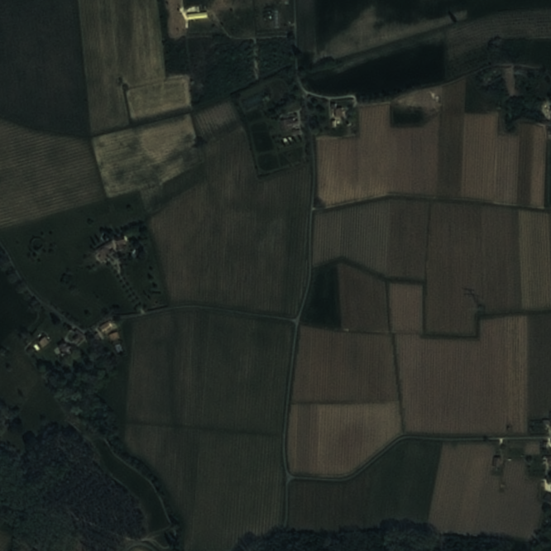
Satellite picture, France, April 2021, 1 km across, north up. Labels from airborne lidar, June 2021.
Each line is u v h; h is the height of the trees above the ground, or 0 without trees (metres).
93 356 18
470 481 0
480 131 0
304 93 0
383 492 0
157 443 0
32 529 23
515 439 0
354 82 0
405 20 0
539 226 0
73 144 0
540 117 8
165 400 0
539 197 0
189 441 0
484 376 0
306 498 0
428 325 0
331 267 0
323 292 0
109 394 0
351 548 16
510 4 0
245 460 0
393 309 0
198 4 0
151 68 0
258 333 0
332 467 0
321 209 15
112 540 16
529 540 0
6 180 0
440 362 0
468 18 0
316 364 0
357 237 0
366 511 0
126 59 0
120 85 0
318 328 0
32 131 0
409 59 0
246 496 0
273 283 0
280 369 0
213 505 0
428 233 0
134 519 16
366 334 0
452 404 0
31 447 17
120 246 0
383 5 0
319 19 0
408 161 0
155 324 0
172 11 0
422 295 0
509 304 0
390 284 0
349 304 0
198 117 0
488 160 0
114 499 19
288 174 0
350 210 0
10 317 0
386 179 0
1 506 16
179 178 0
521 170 0
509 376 0
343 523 0
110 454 0
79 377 17
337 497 0
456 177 0
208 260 0
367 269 0
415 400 0
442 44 0
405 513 0
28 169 0
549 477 11
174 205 0
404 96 0
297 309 0
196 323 0
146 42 0
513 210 0
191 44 0
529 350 0
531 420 0
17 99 0
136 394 0
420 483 0
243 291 0
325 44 0
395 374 0
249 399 0
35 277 0
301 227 0
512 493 0
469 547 8
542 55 0
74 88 0
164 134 0
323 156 0
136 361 0
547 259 0
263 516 0
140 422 0
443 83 0
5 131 0
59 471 20
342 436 0
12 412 15
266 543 19
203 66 0
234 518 0
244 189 0
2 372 0
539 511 0
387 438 0
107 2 0
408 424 0
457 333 0
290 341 0
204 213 0
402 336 0
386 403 0
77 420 16
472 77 0
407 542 16
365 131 0
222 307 0
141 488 0
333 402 0
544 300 0
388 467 0
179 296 0
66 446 22
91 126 0
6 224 0
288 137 0
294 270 0
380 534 20
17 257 0
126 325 0
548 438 0
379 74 0
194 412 0
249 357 0
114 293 0
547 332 0
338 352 0
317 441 0
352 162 0
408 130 0
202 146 19
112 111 0
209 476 0
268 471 0
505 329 0
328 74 0
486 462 0
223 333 0
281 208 0
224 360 0
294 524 0
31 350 12
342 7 0
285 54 8
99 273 0
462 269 0
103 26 0
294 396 0
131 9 0
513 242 0
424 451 0
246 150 0
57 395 25
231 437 0
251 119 0
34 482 19
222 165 0
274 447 0
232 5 0
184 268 0
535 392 0
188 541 0
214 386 0
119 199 0
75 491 19
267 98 10
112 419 14
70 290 8
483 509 0
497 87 9
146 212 0
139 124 0
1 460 28
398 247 0
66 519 19
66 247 0
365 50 0
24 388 0
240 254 0
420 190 0
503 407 0
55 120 0
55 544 20
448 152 0
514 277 0
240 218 0
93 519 18
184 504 0
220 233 0
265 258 0
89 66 0
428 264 0
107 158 0
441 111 0
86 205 0
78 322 8
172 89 0
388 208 0
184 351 0
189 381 0
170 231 0
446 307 0
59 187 0
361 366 0
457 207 0
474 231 0
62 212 0
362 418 0
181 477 0
